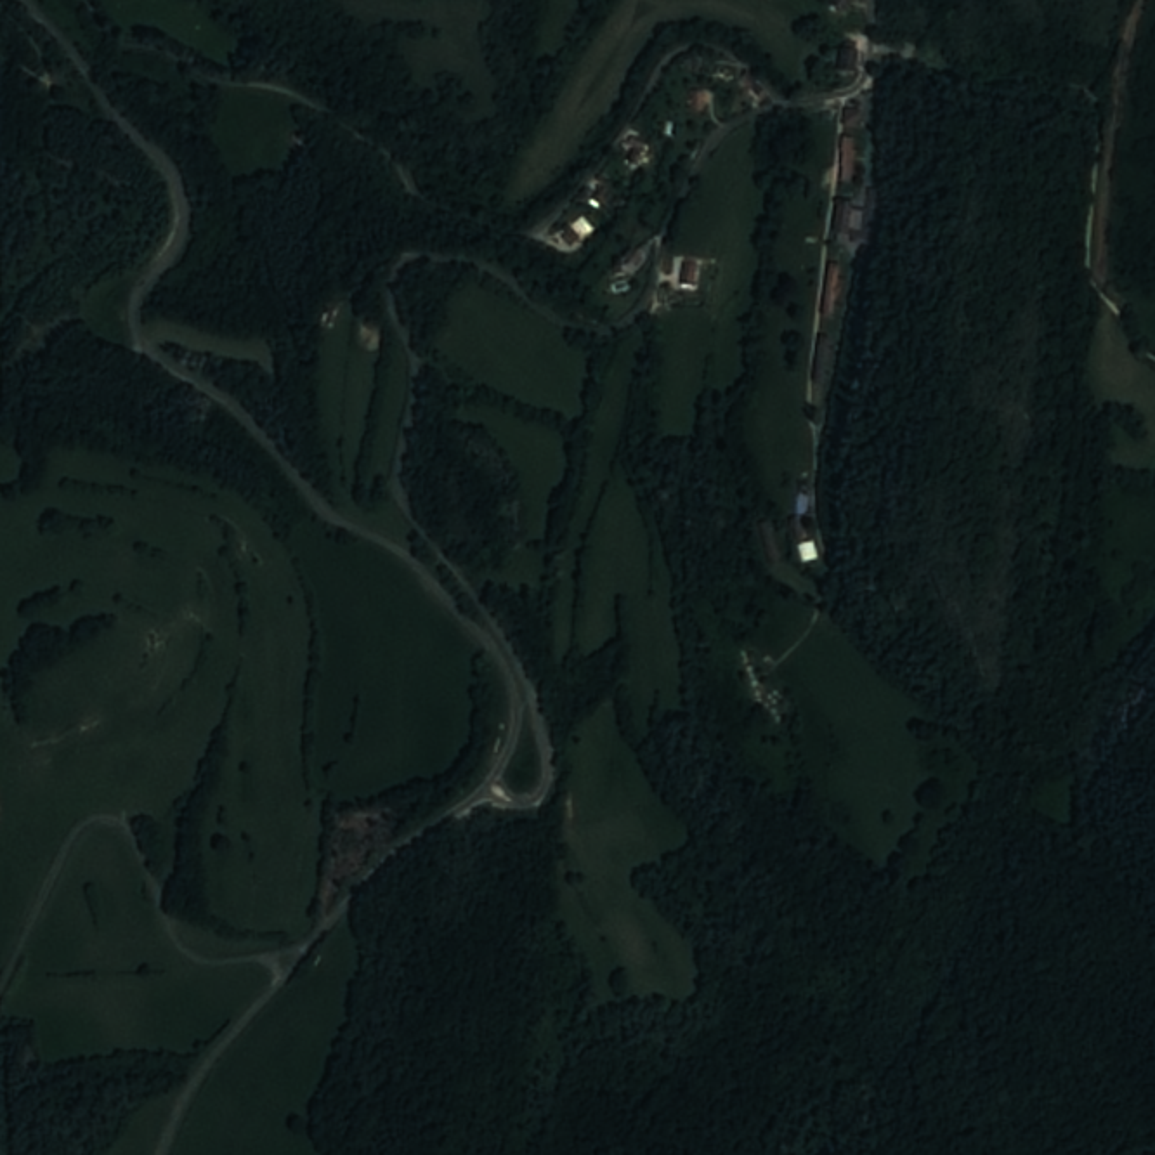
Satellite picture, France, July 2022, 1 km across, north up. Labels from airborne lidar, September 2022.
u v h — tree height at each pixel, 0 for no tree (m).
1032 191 13
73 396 15
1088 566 10
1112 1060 21
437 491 16
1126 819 27
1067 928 20
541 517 0
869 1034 15
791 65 0
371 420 8
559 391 0
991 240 10
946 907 7
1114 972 20
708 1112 25
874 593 24
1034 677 28
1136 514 0
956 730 16
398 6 0
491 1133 7
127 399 19
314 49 22
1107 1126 19
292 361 21
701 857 19
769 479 0
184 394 18
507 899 16
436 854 16
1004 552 7
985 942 19
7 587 0
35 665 15
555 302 22
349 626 0
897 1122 10
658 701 6
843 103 0
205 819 14
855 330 8
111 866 0
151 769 0
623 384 0
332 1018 0
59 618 0
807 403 0
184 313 15
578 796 0
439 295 8
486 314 0
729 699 8
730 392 12
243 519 0
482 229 12
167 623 0
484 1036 11
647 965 0
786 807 20
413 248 16
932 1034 21
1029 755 15
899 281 18
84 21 8
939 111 16
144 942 0
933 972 10
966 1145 20
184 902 19
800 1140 23
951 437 7
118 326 0
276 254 19
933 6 12
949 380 8
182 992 0
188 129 19
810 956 17
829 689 0
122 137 20
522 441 0
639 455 12
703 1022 18
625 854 0
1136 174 0
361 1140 17
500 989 12
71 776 0
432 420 17
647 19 0
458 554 16
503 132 6
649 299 0
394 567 0
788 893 20
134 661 0
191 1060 9
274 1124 0
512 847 15
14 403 19
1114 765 26
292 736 0
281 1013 0
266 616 0
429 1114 15
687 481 17
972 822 20
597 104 0
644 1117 25
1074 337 27
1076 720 10
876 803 0
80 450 14
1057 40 11
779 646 0
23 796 0
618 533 0
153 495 0
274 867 0
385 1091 19
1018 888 17
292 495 7
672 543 18
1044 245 17
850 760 0
